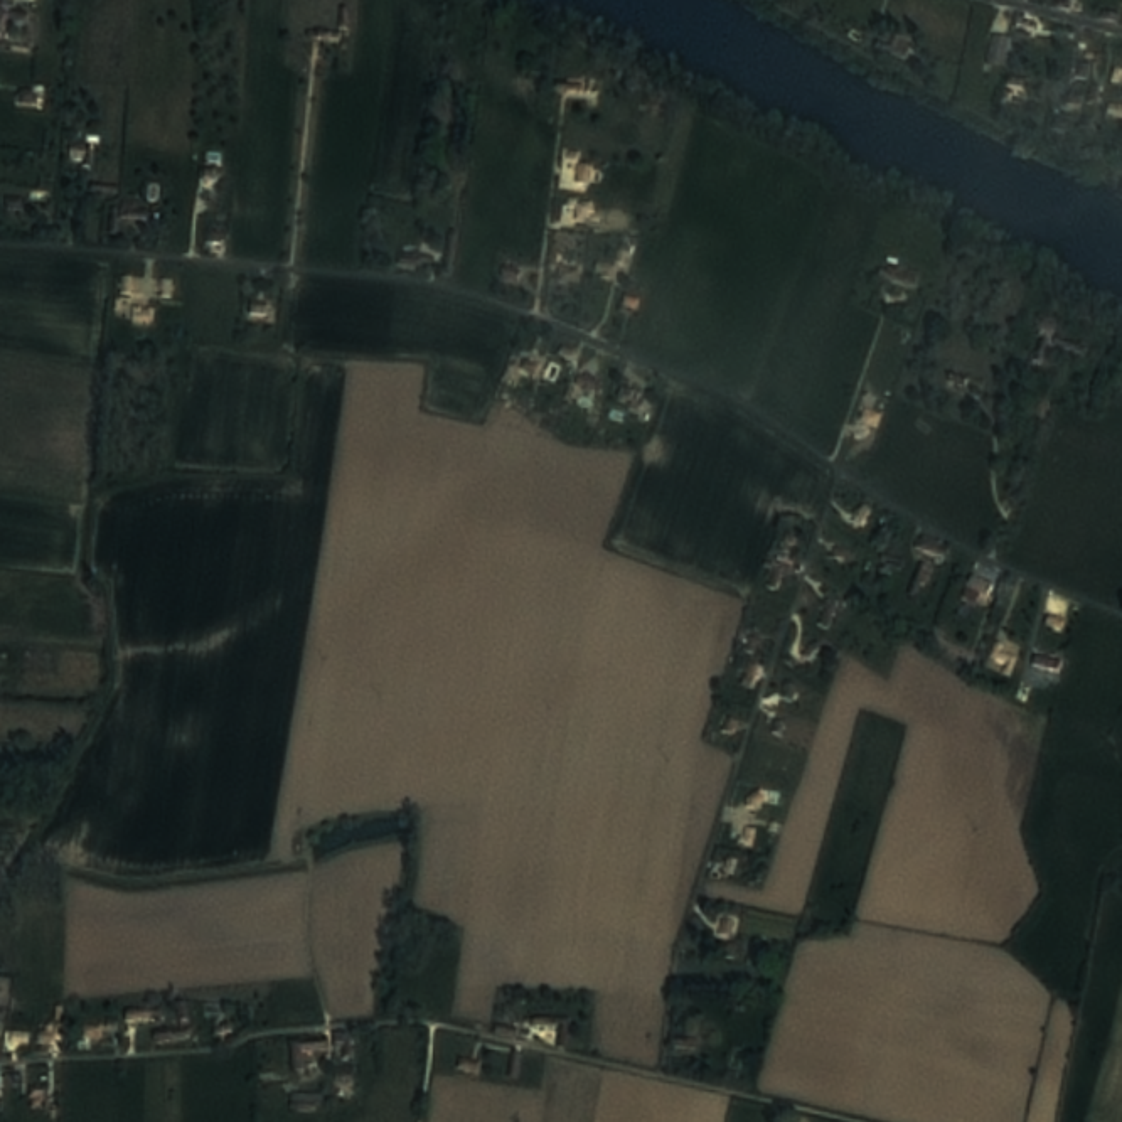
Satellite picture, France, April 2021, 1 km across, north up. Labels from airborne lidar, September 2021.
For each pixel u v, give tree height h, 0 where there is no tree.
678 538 0
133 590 0
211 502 0
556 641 0
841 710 0
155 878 0
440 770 0
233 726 0
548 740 0
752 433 0
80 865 0
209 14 8
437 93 13
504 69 0
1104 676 0
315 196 0
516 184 0
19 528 0
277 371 0
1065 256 0
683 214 0
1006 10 0
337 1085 0
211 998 0
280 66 0
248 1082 7
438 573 0
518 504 0
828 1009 0
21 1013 0
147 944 0
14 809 19
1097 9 6
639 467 0
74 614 0
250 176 0
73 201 9
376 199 7
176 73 0
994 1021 0
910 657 0
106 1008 9
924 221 12
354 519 0
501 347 0
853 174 17
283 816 0
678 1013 15
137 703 0
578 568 0
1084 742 0
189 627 0
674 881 0
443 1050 0
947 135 0
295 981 0
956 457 0
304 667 0
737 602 0
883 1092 0
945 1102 0
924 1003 0
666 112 12
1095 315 18
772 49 0
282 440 0
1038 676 0
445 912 0
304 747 0
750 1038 0
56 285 0
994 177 0
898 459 0
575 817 0
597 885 0
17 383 0
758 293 0
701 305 0
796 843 0
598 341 0
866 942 0
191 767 0
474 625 0
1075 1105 0
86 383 0
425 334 0
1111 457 0
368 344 0
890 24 10
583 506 0
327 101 0
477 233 0
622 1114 0
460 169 18
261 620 0
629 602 0
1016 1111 0
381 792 0
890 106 0
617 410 0
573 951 0
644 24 0
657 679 0
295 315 0
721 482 0
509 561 0
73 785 16
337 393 0
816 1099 0
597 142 0
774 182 0
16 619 0
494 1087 0
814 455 0
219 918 0
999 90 6
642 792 0
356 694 0
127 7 0
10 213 9
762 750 0
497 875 0
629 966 0
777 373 0
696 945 12
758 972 20
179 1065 0
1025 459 8
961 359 0
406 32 0
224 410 0
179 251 0
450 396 0
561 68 14
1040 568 0
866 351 0
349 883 0
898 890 0
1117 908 0
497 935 0
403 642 0
